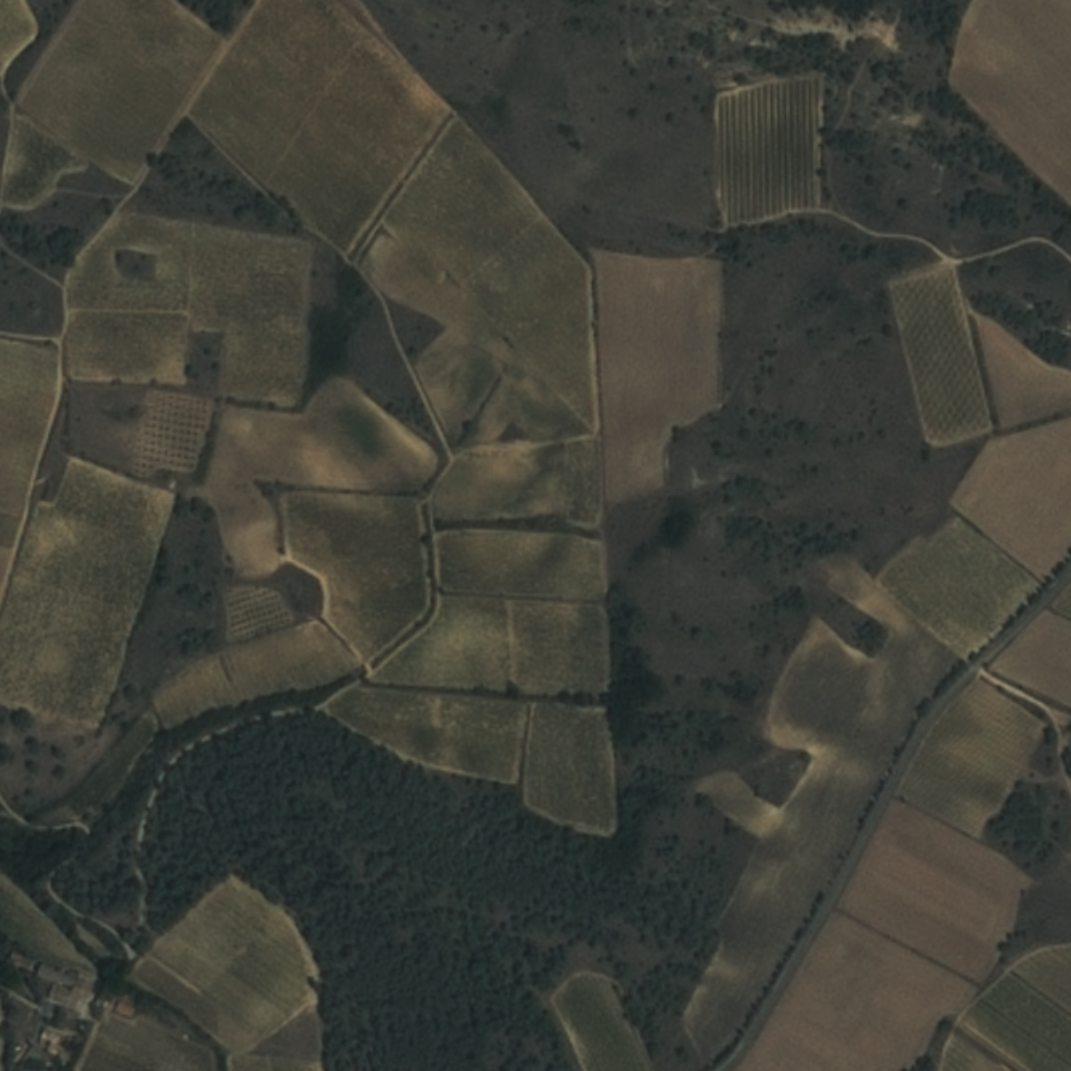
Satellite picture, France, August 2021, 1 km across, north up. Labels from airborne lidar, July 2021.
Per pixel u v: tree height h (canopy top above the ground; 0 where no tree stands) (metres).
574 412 0
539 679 0
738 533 7
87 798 0
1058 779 0
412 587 0
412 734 0
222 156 0
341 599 0
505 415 0
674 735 8
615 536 0
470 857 11
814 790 0
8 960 18
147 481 7
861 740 0
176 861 15
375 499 0
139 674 0
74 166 0
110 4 0
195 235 0
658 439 0
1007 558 0
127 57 0
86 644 0
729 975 0
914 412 0
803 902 0
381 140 0
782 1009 0
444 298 0
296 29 0
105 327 0
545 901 11
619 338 0
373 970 14
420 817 7
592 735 0
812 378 0
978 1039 0
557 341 0
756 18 0
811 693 0
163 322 0
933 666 0
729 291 0
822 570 0
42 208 0
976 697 0
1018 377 0
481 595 0
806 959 0
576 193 0
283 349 0
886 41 0
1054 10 0
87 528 0
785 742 0
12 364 0
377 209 0
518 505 0
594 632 0
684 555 0
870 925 0
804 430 12
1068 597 0
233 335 0
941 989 0
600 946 9
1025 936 8
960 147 7
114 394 0
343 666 0
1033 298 7
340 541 0
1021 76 0
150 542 0
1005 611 0
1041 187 14
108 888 11
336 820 12
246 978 0
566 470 0
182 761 10
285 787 12
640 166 0
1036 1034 0
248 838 16
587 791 0
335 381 0
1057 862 0
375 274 0
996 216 10
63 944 0
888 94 8
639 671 10
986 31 0
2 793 0
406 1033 14
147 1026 0
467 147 0
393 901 13
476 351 0
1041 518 0
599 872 14
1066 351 9
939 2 7
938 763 0
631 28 0
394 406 10
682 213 0
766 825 0
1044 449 0
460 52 0
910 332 0
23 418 0
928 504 0
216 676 0
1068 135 0
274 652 0
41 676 0
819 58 6
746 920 0
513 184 0
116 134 0
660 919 12
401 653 0
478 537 0
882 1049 0
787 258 0
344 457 0
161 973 0
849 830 0
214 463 0
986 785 0
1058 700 0
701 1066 0
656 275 0
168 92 0
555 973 14
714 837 0
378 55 0
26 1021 0
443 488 0
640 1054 0
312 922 13
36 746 15
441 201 0
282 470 0
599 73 0
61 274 0
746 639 0
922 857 0
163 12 0
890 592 0
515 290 0
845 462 0
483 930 13
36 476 0
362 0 0
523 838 15
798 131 0
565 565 0
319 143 0
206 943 0
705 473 0
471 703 0
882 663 0
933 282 0
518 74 0
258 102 0
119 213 0
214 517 7
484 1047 16
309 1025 0
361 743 15
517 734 0
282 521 0
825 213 0
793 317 0
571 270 0
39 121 0
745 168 0
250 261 0
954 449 0
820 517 0
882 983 0
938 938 0
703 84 0
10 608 0
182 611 0
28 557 0
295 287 0
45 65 0
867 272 0
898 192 0
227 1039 0
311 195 0
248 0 10
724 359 0
